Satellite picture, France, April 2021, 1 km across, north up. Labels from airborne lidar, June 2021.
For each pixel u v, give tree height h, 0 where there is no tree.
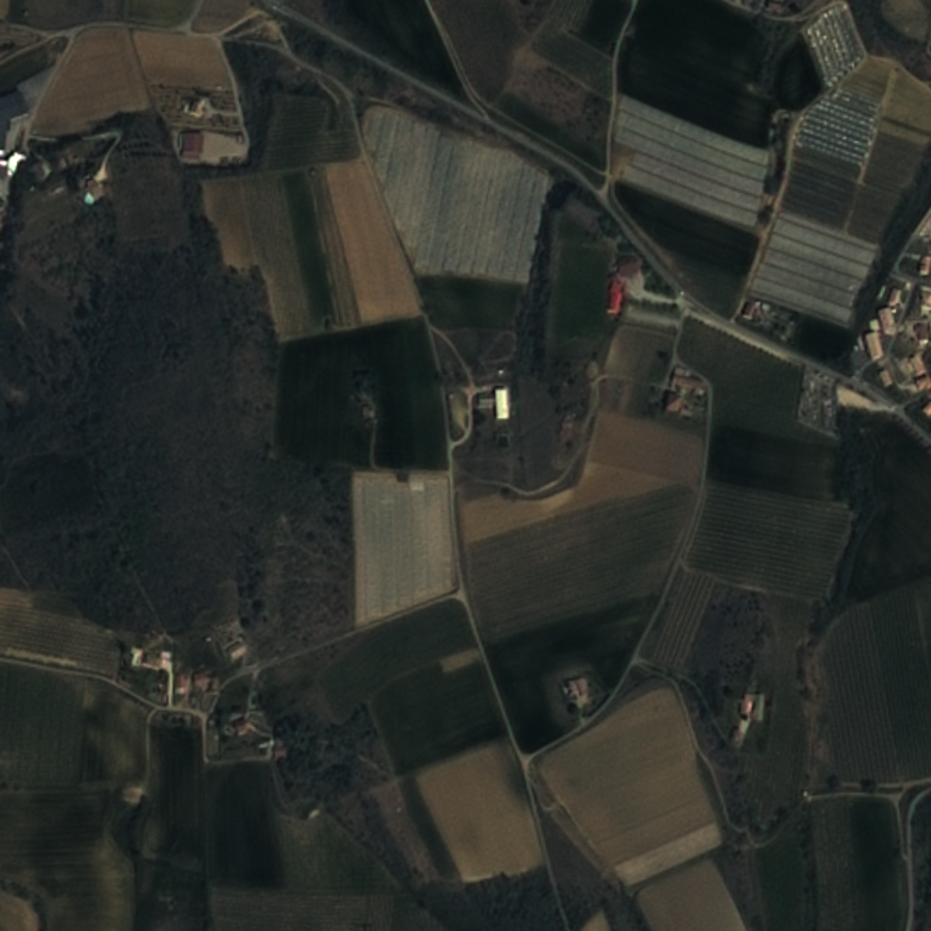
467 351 0
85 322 13
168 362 8
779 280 0
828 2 0
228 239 0
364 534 0
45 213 0
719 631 0
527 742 0
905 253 12
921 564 0
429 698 0
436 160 0
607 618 0
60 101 0
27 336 6
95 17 0
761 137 0
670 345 0
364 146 0
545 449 0
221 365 12
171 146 13
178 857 0
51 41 0
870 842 0
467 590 0
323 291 0
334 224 0
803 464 0
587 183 0
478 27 0
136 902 0
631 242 6
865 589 0
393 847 7
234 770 0
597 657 0
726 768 7
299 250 0
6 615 0
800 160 0
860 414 12
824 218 0
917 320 0
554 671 0
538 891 7
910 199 14
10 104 0
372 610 0
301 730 11
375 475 0
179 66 0
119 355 14
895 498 0
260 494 6
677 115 0
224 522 11
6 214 0
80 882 0
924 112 0
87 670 0
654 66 0
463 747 0
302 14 0
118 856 0
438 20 0
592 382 0
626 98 0
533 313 8
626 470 0
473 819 0
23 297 0
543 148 0
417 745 0
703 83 0
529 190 0
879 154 0
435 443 0
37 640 0
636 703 0
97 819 0
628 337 0
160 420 14
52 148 7
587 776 0
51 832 0
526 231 0
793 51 0
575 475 0
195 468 13
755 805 0
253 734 0
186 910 0
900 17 0
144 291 12
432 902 0
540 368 7
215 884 0
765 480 0
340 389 0
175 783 0
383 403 0
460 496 0
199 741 0
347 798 9
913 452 0
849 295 0
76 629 0
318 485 6
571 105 7
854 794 0
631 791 0
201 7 0
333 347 0
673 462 0
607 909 8
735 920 0
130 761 0
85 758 0
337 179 0
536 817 0
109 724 0
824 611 19
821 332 0
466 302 0
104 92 0
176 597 11
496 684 0
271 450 12
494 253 0
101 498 14
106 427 15
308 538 6
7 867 0
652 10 0
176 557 12
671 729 0
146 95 0
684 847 0
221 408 9
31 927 0
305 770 8
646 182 0
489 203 0
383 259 0
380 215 0
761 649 11
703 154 0
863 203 0
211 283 9
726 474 0
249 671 0
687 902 0
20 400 0
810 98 0
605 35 0
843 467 7
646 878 0
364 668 0
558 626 0
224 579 9
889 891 0
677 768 0
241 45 8
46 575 13
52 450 10
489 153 0
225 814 0
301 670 0
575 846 0
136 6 0
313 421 0
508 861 0
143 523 13
